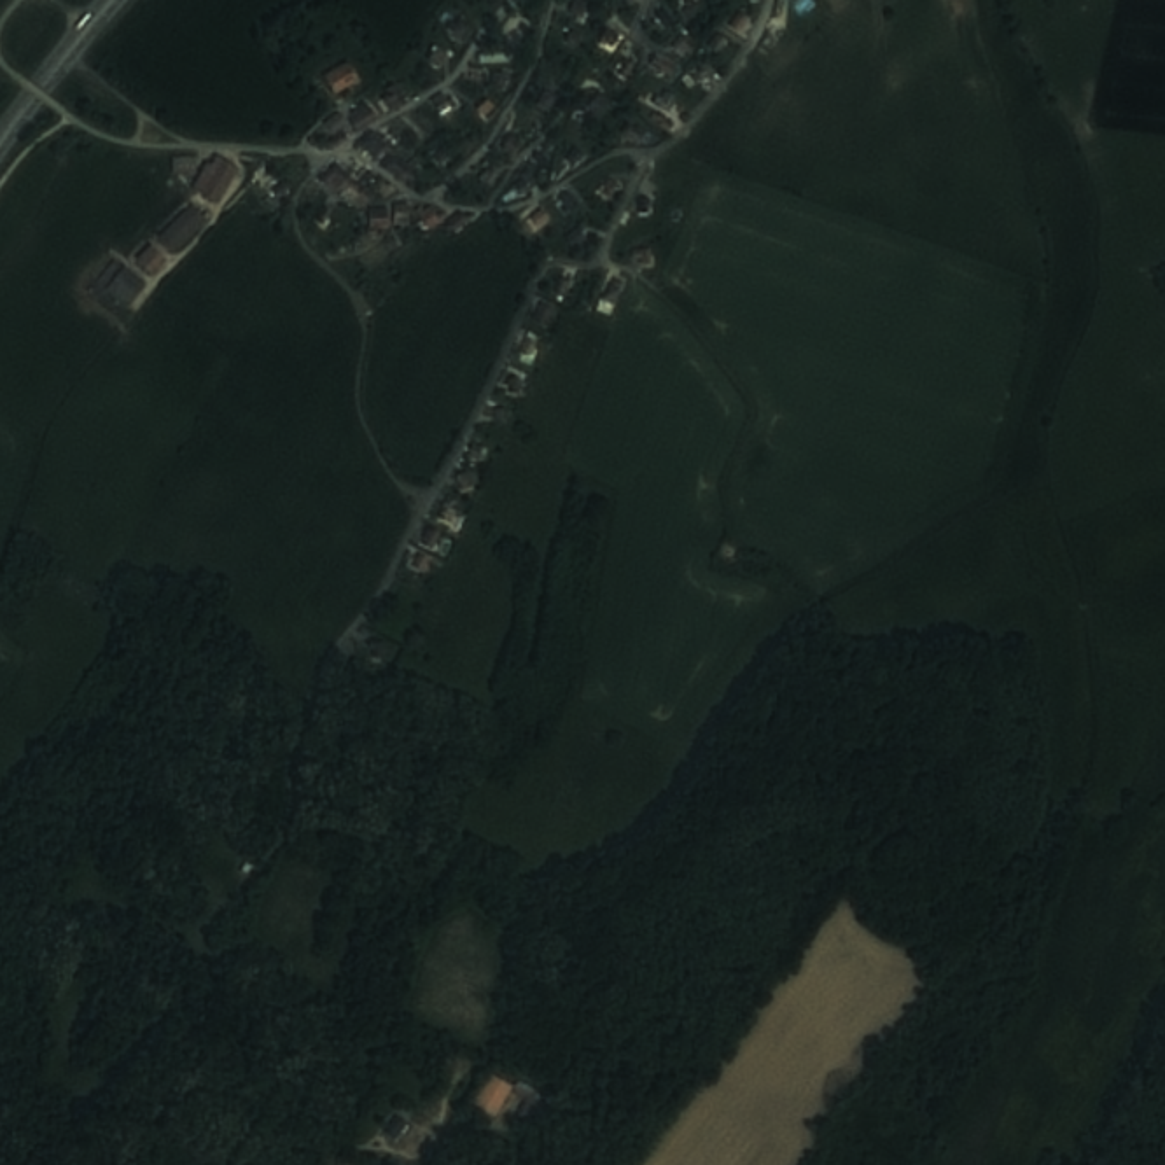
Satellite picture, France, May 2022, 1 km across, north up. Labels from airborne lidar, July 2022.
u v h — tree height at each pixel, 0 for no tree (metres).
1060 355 0
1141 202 0
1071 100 0
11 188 0
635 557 0
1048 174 0
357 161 0
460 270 0
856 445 0
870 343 0
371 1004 24
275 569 0
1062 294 0
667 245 0
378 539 0
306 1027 25
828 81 0
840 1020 0
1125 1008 0
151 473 0
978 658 22
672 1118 14
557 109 9
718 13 13
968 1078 20
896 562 0
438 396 0
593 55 6
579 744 0
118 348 0
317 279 0
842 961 0
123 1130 23
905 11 0
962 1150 0
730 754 26
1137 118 0
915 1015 14
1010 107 0
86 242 0
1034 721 29
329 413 0
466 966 0
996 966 13
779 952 25
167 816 27
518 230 9
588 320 0
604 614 0
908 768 25
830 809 26
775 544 0
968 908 26
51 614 0
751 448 0
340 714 23
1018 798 31
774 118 0
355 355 0
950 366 0
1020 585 0
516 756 17
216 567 0
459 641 0
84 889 0
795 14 0
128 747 18
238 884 0
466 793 21
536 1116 23
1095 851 0
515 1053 26
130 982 29
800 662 22
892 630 0
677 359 0
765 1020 0
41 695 0
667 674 0
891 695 24
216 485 0
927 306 0
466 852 15
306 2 7
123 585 18
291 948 0
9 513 0
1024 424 0
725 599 0
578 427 0
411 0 0
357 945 17
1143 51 0
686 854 27
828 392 0
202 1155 20
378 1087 20
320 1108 26
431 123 0
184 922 16
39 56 0
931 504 0
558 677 18
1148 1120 21
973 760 27
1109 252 0
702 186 0
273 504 0
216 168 0
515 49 22
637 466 0
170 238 0
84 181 0
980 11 0
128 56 0
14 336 0
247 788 29
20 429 0
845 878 27
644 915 32
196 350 0
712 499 0
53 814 21
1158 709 0
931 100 0
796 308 0
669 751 0
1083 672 0
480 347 0
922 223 0
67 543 0
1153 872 0
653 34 6
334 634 0
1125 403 0
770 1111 0
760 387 0
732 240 0
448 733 24
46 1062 14
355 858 17
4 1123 19
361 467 0
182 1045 23
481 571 0
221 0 0
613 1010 29
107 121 11
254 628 0
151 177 0
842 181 0
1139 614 0
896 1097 7
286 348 0
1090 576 0
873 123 0
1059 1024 0
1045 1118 0
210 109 0
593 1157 28
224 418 0
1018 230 0
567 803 0
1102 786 0
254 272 0
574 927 27
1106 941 0
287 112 0
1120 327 0
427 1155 17
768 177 0
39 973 25
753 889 28
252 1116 26
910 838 26
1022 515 0
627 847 25
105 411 0
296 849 18
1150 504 0
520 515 0
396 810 25
